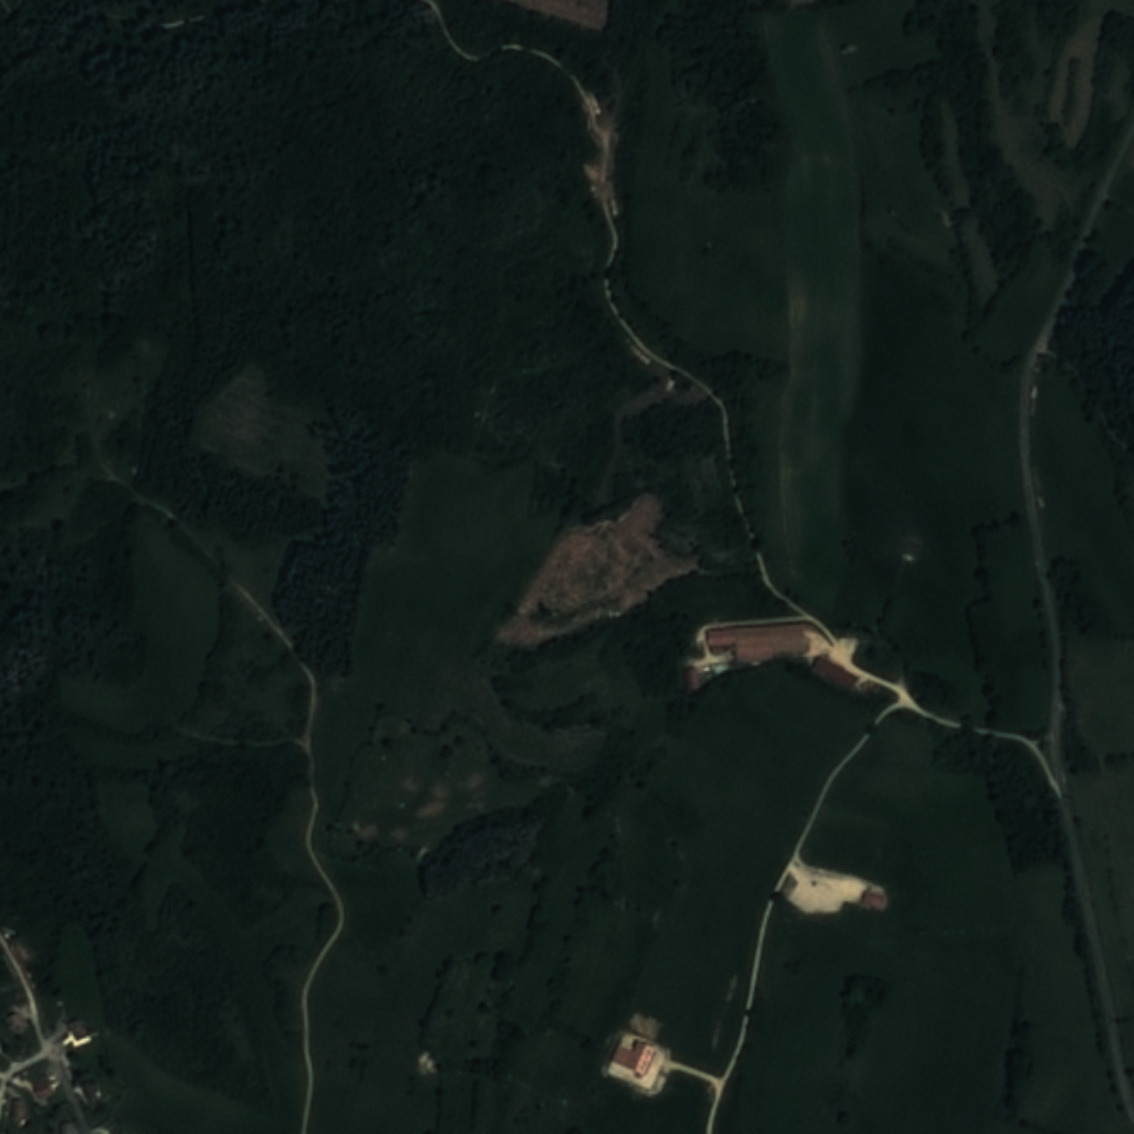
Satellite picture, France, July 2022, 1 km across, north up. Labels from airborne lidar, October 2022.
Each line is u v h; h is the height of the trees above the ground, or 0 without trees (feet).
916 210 0
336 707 0
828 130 0
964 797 0
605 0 0
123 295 31
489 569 0
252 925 25
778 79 0
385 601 0
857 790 0
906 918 0
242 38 24
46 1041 0
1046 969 0
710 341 0
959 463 0
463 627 0
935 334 0
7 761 25
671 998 0
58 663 26
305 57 38
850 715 0
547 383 17
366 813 0
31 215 29
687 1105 0
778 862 0
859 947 0
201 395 31
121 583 26
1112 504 0
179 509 17
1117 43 29
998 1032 0
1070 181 0
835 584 0
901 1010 0
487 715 0
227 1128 0
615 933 0
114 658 26
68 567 19
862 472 0
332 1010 0
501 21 20
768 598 29
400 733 0
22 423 25
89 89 31
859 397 0
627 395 0
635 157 18
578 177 24
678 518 18
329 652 55
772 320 0
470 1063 30
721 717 0
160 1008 18
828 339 0
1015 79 24
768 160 22
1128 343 81
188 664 0
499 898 0
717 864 0
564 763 0
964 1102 0
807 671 28
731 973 0
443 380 26
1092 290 85
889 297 0
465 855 83
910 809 0
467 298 27
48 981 30
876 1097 0
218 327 32
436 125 19
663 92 0
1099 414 31
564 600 0
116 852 32
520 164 19
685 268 0
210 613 0
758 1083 0
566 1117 0
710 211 0
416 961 0
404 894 0
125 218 33
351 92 39
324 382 21
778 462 0
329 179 25
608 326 28
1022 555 0
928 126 31
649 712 0
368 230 24
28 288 29
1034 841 27
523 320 0
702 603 0
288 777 22
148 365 0
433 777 0
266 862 26
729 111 53
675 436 30
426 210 46
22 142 32
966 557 0
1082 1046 0
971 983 0
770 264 0
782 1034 0
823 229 0
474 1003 0
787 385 0
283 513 31
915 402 0
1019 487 0
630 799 0
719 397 32
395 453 80
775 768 0
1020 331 0
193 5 28
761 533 21
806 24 0
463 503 0
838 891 0
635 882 0
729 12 35
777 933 0
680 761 0
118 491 22
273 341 19
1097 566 0
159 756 0
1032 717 0
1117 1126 0
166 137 72
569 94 22
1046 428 0
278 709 0
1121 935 0
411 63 24
